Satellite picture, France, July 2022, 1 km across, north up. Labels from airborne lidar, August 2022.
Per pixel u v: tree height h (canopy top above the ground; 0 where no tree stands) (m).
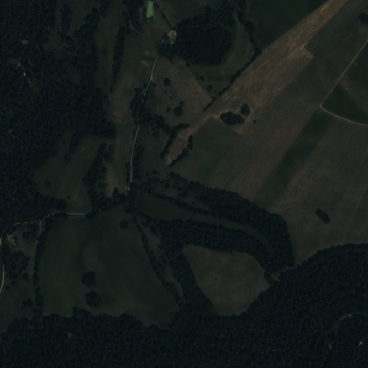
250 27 23
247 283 0
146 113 8
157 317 0
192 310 17
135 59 0
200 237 24
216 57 9
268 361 27
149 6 0
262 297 21
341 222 0
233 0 0
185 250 0
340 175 0
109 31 0
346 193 0
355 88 0
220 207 13
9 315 0
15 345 31
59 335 23
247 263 0
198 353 15
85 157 0
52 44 0
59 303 0
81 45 7
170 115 0
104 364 8
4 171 14
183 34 6
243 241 31
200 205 0
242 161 0
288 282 29
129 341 24
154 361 31
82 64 14
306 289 9
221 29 19
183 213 0
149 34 0
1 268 0
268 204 0
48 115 26
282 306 36
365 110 0
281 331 19
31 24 22
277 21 0
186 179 12
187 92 0
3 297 0
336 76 0
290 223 0
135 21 7
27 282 17
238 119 14
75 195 0
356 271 19
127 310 0
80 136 11
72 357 12
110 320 23
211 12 23
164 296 0
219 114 0
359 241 0
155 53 0
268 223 14
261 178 0
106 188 0
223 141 0
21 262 9
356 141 0
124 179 0
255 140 0
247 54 0
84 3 0
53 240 0
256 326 27
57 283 0
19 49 21
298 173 0
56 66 11
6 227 10
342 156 0
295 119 0
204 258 0
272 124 0
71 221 0
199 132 0
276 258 19
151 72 0
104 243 0
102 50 0
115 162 0
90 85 10
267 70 0
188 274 20
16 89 30
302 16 0
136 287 0
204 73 0
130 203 19
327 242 0
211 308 7
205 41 20
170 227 27
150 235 0
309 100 0
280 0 0
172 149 0
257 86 0
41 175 0
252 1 0
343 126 0
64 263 0
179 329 6
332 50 0
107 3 15
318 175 0
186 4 0
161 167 0
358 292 23
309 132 0
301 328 31
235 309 0
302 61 0
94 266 0
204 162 0
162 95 0
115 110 0
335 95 0
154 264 17
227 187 0
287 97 0
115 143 0
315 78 0
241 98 0
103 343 31
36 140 10
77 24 0
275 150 0
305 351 27
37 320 20
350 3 0
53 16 13
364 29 0
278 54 0
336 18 0
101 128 10
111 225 0
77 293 0
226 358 35
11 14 14
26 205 28
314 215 0
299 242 0
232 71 0
